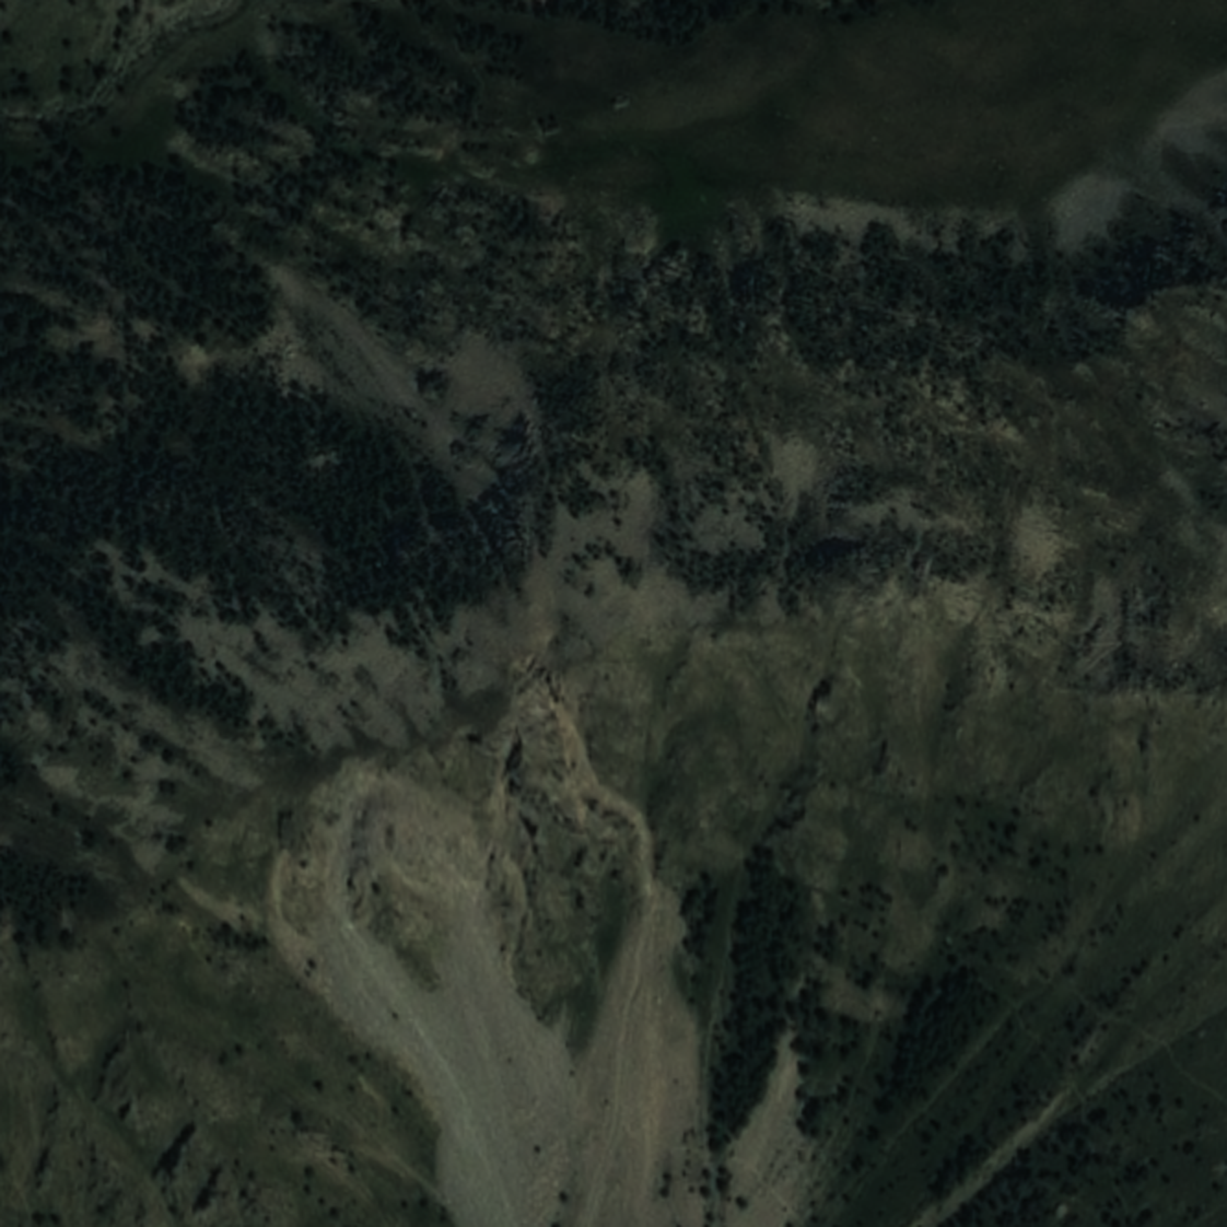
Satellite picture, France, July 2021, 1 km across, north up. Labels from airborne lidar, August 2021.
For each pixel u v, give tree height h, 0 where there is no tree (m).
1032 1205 11
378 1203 0
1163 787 0
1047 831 0
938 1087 0
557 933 0
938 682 0
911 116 0
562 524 0
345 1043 0
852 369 0
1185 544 0
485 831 0
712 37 0
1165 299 0
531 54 0
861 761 0
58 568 12
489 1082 0
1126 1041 0
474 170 0
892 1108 17
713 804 0
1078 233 0
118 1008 0
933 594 0
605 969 0
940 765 0
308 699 0
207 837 0
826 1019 20
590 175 0
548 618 0
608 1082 0
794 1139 0
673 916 0
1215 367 0
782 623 0
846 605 0
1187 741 0
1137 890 0
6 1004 0
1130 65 0
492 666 0
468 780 0
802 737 0
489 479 0
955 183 0
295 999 0
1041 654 0
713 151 0
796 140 0
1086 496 0
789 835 0
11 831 0
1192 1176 0
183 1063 0
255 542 7
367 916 0
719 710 0
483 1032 0
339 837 0
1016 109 0
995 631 0
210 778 0
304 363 0
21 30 0
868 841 0
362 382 0
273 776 0
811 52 0
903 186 0
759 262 9
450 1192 0
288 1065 0
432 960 0
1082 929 0
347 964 0
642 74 0
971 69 0
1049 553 0
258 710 0
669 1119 0
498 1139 0
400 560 10
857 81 0
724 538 0
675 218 0
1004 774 0
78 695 0
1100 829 0
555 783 0
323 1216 0
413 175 0
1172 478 0
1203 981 0
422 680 0
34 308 18
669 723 0
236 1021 0
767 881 19
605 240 0
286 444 12
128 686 0
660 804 0
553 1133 0
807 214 0
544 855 0
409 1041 0
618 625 0
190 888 0
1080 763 0
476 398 0
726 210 0
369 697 0
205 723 0
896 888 0
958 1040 22
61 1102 0
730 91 0
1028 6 0
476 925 0
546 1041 0
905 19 0
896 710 0
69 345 0
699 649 0
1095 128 0
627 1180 0
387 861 0
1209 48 0
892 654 0
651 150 0
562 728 0
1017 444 0
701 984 8
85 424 8
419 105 10
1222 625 0
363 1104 0
